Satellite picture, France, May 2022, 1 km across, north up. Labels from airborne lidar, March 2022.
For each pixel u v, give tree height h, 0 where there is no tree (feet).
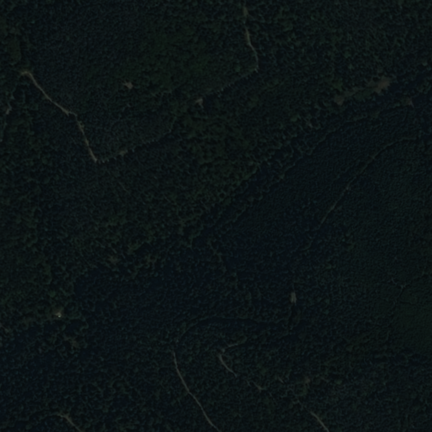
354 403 80
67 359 74
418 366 94
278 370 68
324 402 55
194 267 137
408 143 43
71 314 103
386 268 33
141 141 65
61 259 64
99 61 97
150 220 100
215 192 86
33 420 117
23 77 36
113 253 112
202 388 80
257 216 48
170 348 68
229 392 59
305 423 87
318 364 82
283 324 60
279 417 78
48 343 137
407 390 83
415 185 51
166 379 53
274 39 76
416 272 53
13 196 88
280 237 24
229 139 117
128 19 66
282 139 117
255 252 83
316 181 37
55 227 53
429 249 63
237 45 95
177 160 95
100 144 23
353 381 104
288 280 97
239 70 78
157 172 123
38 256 82
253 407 81
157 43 90
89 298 150
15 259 79
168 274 101
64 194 86
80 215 84
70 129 101
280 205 46
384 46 42
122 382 98
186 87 89
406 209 33
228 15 110
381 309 35
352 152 55
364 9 91
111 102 31
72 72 99
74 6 98
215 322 99
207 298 120
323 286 28
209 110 117
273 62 64
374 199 44
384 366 98
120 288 109
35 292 94
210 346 53
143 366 89
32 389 99
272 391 55
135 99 31
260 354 99
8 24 90
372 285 22
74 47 103
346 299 45
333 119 54
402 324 31
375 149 39
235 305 127
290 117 80
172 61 94
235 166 98
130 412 162
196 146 106
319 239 71
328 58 149
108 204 106
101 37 85
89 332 139
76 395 93
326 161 51
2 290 50
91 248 85
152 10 44
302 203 35
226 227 74
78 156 80
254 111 62
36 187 112
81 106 69
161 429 131
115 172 112
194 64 82
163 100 88
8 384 121
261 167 0
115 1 67
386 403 88
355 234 30
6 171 17
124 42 91
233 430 98
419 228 59
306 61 76
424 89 59
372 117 29
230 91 90
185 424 93
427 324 23
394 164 41
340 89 61
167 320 87
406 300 34
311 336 93
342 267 32
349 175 61
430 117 36
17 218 105
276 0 111
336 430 72
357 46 35
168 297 101
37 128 101
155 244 133
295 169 51
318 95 69
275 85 69
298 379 88
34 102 112
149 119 93
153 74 103
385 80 0
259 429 91
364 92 18
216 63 66
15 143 65
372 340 68
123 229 87
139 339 67
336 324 83
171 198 86
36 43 64
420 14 122
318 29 63
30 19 69
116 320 94
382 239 39
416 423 71
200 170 87
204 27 111
